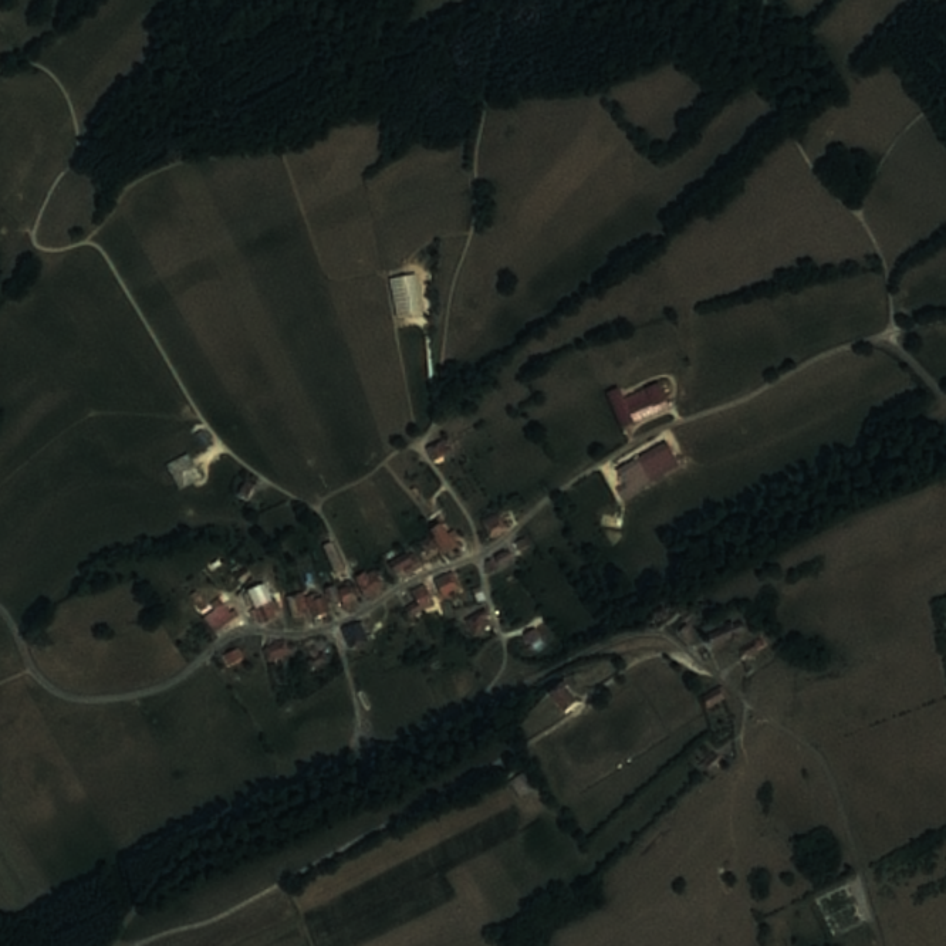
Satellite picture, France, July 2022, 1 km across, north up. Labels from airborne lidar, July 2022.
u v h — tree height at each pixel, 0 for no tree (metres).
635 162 0
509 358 17
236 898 0
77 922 16
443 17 19
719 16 27
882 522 0
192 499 0
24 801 0
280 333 0
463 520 0
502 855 0
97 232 0
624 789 0
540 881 0
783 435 0
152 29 21
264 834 28
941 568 0
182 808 0
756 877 5
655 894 0
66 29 17
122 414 0
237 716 0
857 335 0
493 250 0
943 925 0
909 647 0
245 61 15
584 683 0
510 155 0
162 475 0
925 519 0
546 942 11
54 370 0
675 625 0
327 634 0
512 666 0
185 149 12
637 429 0
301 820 29
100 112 14
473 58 23
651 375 0
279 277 0
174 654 0
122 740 0
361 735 0
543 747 0
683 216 15
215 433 0
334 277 0
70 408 0
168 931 0
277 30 16
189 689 0
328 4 9
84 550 0
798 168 0
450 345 0
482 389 23
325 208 0
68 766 0
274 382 0
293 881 16
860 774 0
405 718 0
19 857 0
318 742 0
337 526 0
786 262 0
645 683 0
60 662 0
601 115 0
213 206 0
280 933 0
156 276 0
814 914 0
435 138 17
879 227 0
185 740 0
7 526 0
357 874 0
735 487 0
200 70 12
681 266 0
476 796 24
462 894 0
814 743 0
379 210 0
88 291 0
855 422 0
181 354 0
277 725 0
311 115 10
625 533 0
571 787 0
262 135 13
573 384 0
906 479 27
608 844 0
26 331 0
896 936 0
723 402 0
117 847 0
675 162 9
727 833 0
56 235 0
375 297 0
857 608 0
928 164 0
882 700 0
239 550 7
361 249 0
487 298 0
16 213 0
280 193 0
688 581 22
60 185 0
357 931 0
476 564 0
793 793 0
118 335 0
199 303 0
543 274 0
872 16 0
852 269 18
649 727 0
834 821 0
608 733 0
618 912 0
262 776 0
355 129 0
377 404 0
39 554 0
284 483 0
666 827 0
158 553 14
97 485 0
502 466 0
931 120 12
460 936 0
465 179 0
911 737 0
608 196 0
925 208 0
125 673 0
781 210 0
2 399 0
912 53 19
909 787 0
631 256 20
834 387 0
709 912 0
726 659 0
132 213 0
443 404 21
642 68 15
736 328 0
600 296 15
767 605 12
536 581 0
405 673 0
